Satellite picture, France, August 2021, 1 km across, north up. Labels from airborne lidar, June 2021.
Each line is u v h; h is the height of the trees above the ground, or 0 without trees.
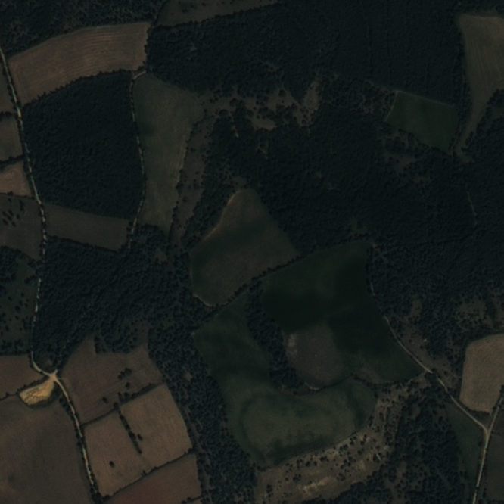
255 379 0
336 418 0
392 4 14
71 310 13
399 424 6
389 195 16
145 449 0
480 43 0
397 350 0
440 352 6
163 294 10
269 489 8
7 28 7
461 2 13
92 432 0
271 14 8
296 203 16
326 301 0
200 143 0
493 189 6
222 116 13
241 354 0
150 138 0
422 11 16
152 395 0
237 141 15
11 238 0
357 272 0
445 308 10
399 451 12
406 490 10
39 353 13
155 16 11
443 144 0
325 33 12
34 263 8
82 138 15
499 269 6
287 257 0
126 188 10
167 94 0
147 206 0
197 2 0
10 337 0
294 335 0
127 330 9
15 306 0
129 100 7
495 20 0
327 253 0
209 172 8
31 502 0
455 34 10
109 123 13
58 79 0
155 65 15
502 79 0
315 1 14
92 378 0
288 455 0
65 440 0
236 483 14
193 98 0
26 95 0
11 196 8
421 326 5
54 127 12
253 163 15
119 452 0
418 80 15
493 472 0
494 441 0
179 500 0
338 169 11
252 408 0
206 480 0
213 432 18
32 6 8
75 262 13
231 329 0
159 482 0
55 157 14
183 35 9
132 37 0
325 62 8
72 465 0
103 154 10
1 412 0
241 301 0
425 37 14
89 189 11
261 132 10
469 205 10
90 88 10
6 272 14
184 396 10
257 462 0
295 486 0
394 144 8
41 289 7
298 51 13
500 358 0
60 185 11
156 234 11
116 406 10
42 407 0
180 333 13
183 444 0
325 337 0
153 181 0
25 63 0
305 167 10
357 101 8
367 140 14
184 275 14
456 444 10
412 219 12
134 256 10
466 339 7
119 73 6
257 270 0
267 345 10
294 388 8
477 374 0
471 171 9
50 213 0
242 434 0
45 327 15
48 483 0
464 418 0
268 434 0
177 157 0
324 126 11
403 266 12
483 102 0
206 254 0
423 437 15
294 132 13
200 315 12
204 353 0
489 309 9
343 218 12
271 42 9
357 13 14
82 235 0
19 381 0
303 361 0
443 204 13
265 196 11
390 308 6
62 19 11
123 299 15
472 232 15
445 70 17
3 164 8
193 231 8
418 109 0
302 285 0
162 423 0
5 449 0
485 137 10
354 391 0
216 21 7
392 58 15
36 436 0
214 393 18
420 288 9
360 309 0
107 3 14
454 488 10
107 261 14
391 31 13
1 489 0
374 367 0
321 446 0
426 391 11
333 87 9
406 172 10
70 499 0
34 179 10
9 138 0
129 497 0
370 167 7
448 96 17
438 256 13
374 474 8
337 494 0
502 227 6
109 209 12
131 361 0
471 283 11
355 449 0
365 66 16
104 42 0
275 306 0
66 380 0
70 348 11
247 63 9
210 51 12
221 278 0
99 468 0
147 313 9
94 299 9
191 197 0
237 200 0
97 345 9
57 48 0
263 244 0
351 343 0
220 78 11
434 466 13
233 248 0
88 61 0
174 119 0
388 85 14
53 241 9
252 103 0
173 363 12
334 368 0
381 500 8
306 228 13
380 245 9
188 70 12
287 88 12
